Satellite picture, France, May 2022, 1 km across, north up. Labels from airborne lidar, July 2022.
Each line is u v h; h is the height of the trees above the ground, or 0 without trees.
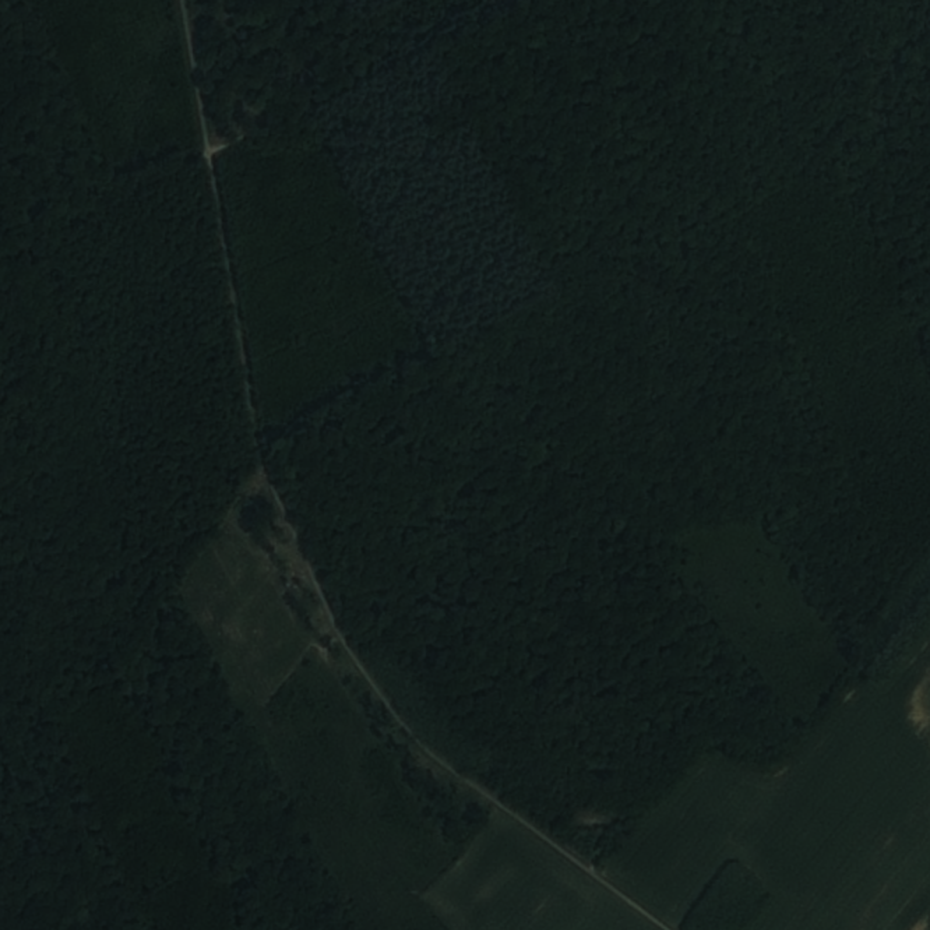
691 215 25
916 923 0
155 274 22
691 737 27
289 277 5
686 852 0
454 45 27
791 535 21
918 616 28
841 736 0
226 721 24
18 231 24
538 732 25
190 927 12
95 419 19
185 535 23
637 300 23
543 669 32
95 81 6
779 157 23
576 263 22
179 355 27
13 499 26
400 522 22
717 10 19
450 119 28
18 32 28
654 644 29
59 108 26
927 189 25
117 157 7
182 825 10
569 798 19
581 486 18
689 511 23
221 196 12
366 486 24
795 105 24
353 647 23
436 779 25
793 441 28
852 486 16
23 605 30
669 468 26
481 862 0
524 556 24
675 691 27
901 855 0
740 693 25
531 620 30
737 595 0
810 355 15
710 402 31
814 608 25
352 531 26
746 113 21
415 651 27
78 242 25
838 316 14
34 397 27
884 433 15
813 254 13
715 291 23
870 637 13
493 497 28
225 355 23
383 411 22
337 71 29
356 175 27
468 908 0
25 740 33
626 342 28
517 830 0
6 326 29
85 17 7
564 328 25
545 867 0
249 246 7
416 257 27
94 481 26
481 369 24
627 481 23
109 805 12
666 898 0
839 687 8
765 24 23
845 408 14
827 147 29
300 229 7
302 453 30
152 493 26
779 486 24
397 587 27
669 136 24
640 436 23
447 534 23
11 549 25
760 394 23
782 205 14
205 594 0
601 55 30
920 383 15
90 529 28
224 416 26
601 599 31
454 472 25
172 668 27
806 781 0
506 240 30
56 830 30
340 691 0
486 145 29
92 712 11
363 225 16
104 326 24
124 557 29
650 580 30
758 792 0
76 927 30
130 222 23
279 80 32
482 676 31
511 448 16
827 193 14
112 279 24
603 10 29
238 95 24
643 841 0
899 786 0
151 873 10
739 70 21
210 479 25
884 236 16
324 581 21
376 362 7
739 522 22
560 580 29
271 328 7
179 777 29
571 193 26
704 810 0
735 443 29
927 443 15
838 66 22
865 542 23
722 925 17
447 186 31
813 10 20
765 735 26
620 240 22
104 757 11
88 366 21
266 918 25
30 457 26
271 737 0
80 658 29
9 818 22
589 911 0
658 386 24
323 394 6
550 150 29
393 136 31
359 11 24
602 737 27
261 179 8
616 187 25
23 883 26
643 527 26
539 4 24
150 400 24
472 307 33
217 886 10
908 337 13
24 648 28
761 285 21
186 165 20
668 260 25
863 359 13
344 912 22
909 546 14
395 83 34
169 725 27
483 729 22
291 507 24
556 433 25
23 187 28
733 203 19
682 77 29
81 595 29
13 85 27
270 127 26
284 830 24
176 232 24
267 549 0
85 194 26
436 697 25
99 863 23
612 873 0
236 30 26
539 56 29
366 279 6
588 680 23
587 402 26
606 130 26
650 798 20
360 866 0
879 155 22
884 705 0
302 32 25
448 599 29
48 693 27
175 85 15
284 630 0
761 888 13
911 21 25
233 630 0
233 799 28
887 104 25
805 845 0
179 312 24
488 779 17
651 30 27
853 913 0
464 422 23
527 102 25
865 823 0
